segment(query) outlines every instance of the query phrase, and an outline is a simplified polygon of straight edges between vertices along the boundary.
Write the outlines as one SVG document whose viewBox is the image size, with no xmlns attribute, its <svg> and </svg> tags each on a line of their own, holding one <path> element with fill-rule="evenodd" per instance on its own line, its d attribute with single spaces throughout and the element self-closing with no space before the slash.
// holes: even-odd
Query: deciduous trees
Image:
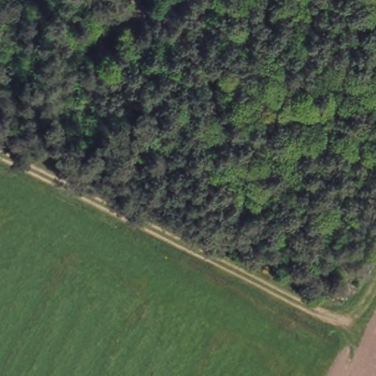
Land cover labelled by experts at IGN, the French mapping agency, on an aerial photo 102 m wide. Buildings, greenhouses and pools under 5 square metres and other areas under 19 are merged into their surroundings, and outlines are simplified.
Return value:
<svg viewBox="0 0 376 376">
<path fill-rule="evenodd" d="M 364 163 L 369 167 L 376 163 L 376 132 L 370 134 L 367 125 L 360 123 L 357 131 L 350 131 L 350 134 L 345 135 L 333 148 L 335 153 L 342 154 L 348 162 Z"/>
<path fill-rule="evenodd" d="M 141 53 L 135 47 L 131 31 L 126 29 L 117 48 L 125 59 L 138 60 Z"/>
<path fill-rule="evenodd" d="M 151 18 L 156 21 L 162 21 L 170 7 L 181 0 L 156 0 L 151 12 Z"/>
<path fill-rule="evenodd" d="M 369 57 L 366 75 L 358 75 L 357 78 L 351 79 L 350 88 L 347 90 L 350 95 L 347 100 L 335 97 L 335 115 L 350 117 L 354 112 L 369 113 L 369 110 L 372 110 L 373 117 L 376 117 L 376 35 L 367 38 L 364 47 L 373 54 Z"/>
<path fill-rule="evenodd" d="M 122 81 L 122 69 L 113 65 L 107 72 L 100 73 L 100 78 L 112 85 L 112 90 L 115 91 Z"/>
</svg>

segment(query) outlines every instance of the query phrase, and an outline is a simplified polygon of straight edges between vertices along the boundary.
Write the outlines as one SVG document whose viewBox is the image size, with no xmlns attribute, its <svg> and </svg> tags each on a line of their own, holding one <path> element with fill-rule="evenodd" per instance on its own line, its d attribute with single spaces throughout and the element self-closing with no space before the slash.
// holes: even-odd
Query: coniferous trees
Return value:
<svg viewBox="0 0 376 376">
<path fill-rule="evenodd" d="M 367 38 L 376 35 L 376 0 L 181 0 L 170 7 L 162 21 L 156 21 L 151 18 L 151 12 L 156 0 L 0 0 L 0 162 L 10 164 L 10 169 L 15 172 L 26 172 L 31 164 L 46 167 L 56 175 L 53 184 L 62 191 L 76 195 L 98 195 L 104 198 L 107 207 L 125 216 L 126 222 L 134 226 L 135 231 L 142 231 L 148 222 L 157 223 L 173 234 L 181 236 L 188 247 L 200 245 L 204 256 L 229 258 L 248 272 L 256 273 L 266 281 L 278 283 L 281 288 L 297 294 L 305 305 L 308 301 L 330 297 L 332 294 L 342 301 L 351 300 L 357 283 L 372 272 L 370 253 L 373 250 L 376 253 L 376 163 L 369 167 L 364 163 L 348 162 L 342 154 L 335 153 L 333 148 L 345 135 L 350 134 L 350 131 L 357 131 L 360 123 L 367 125 L 370 134 L 376 132 L 376 117 L 373 117 L 372 110 L 369 110 L 369 113 L 354 112 L 350 117 L 335 115 L 335 97 L 347 100 L 350 95 L 347 90 L 350 88 L 351 79 L 357 78 L 358 75 L 366 75 L 369 57 L 373 54 L 364 47 Z M 117 48 L 126 29 L 131 31 L 135 47 L 141 53 L 138 60 L 125 59 Z M 100 78 L 100 73 L 107 72 L 113 65 L 122 69 L 122 81 L 115 91 L 112 90 L 112 85 Z"/>
</svg>

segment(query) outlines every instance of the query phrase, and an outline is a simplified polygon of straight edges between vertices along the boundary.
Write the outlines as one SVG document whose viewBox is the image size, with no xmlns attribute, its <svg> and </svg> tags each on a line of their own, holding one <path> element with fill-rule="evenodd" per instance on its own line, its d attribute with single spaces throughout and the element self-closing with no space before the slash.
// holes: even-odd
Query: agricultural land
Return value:
<svg viewBox="0 0 376 376">
<path fill-rule="evenodd" d="M 291 305 L 270 297 L 266 292 L 239 281 L 211 264 L 189 256 L 184 251 L 142 231 L 135 231 L 134 226 L 126 222 L 119 222 L 115 217 L 107 216 L 103 211 L 82 203 L 76 195 L 62 191 L 53 184 L 38 181 L 26 172 L 15 172 L 10 169 L 10 164 L 0 162 L 0 376 L 376 376 L 376 310 L 367 323 L 366 332 L 355 350 L 354 358 L 350 358 L 350 348 L 347 348 L 352 336 L 344 328 L 308 316 Z"/>
</svg>

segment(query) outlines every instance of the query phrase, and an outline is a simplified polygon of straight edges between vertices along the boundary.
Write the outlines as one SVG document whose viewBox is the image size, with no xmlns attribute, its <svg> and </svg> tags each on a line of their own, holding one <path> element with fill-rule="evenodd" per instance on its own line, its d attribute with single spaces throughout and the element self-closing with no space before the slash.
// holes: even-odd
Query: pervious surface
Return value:
<svg viewBox="0 0 376 376">
<path fill-rule="evenodd" d="M 126 222 L 125 216 L 107 207 L 104 198 L 98 195 L 76 195 L 82 203 L 103 211 L 107 216 L 115 217 L 119 222 Z"/>
<path fill-rule="evenodd" d="M 297 294 L 281 288 L 278 283 L 266 281 L 256 273 L 248 272 L 229 258 L 204 256 L 200 245 L 188 247 L 181 236 L 173 234 L 157 223 L 148 222 L 142 231 L 184 251 L 189 256 L 211 264 L 239 281 L 266 292 L 270 297 L 291 305 L 308 316 L 344 328 L 352 323 L 347 314 L 332 313 L 326 308 L 305 305 Z"/>
<path fill-rule="evenodd" d="M 53 184 L 56 175 L 46 167 L 31 164 L 26 172 L 38 181 Z"/>
</svg>

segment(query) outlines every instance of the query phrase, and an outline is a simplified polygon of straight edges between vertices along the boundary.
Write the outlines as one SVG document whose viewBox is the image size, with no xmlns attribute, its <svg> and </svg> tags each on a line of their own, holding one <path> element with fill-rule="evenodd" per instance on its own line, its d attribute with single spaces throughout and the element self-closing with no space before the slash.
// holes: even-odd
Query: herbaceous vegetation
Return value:
<svg viewBox="0 0 376 376">
<path fill-rule="evenodd" d="M 305 305 L 326 308 L 332 313 L 347 314 L 352 323 L 344 328 L 352 336 L 347 348 L 350 348 L 350 358 L 354 358 L 355 350 L 366 332 L 367 323 L 376 310 L 376 253 L 373 250 L 370 253 L 372 272 L 357 283 L 351 300 L 342 301 L 332 294 L 330 297 L 308 301 Z"/>
</svg>

